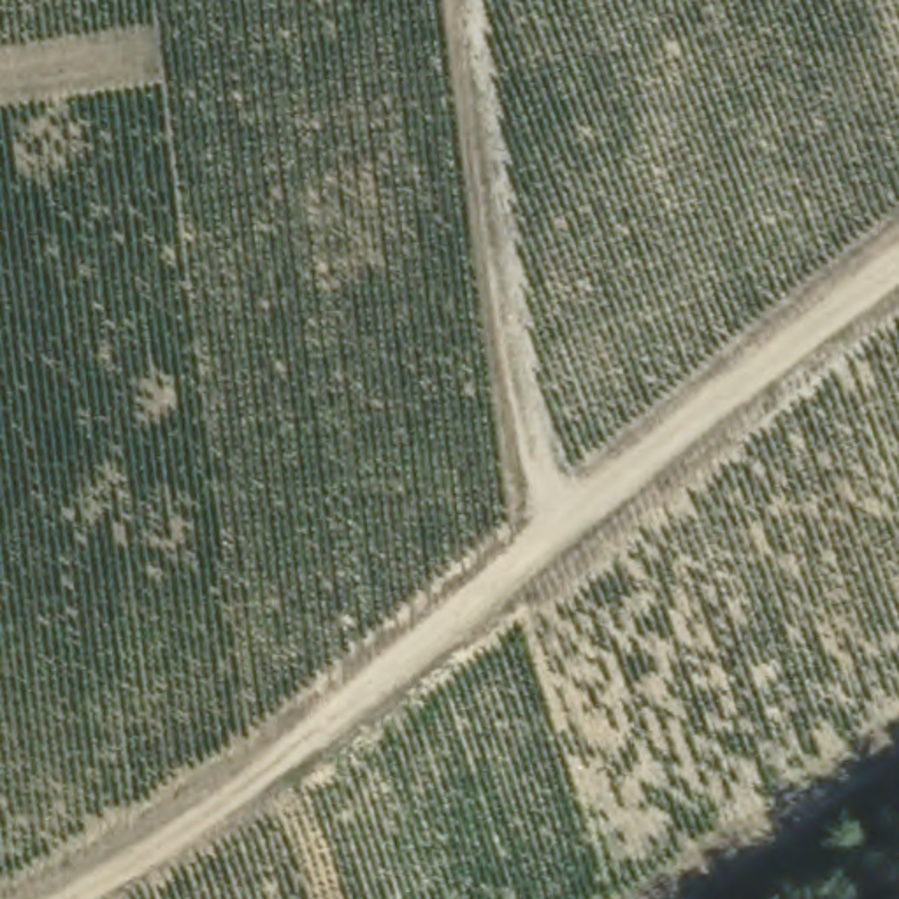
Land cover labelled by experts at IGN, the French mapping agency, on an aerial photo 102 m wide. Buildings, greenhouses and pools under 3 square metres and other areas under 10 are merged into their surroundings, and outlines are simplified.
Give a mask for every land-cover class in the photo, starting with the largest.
<instances>
[{"label":"vineyard","instance_id":"1","mask_svg":"<svg viewBox=\"0 0 899 899\"><path fill-rule=\"evenodd\" d=\"M130 25L158 28V53L144 67V88L0 109V874L28 867L63 839L81 836L91 815L144 801L179 766H197L211 752L225 748L235 734L256 727L267 713L281 706V699L306 688L316 678V671L330 667L341 653H348V643L362 639L372 625L393 615L421 586H428L435 572H442L467 548L481 544V537L492 534L499 523H506L499 425L492 407V365H499V358L495 330L492 323H485L481 277L474 267V235L442 0H0V46H28L56 35H91ZM485 39L495 67V91L502 112L499 123L509 151L513 214L520 232L516 256L527 277L537 390L555 432L551 442L555 467L562 474L586 478L604 471L608 460L622 457L643 435H650L692 393H699L730 365H737L783 323L797 320L836 281L857 274L878 249L899 242V0H485ZM899 720V284L888 295H881L871 309L843 323L836 334L818 341L804 358L787 365L759 393H752L723 418H716L702 435H695L681 453H674L615 509H608L601 520H593L572 541H565L555 555H548L516 590L485 608L478 622L460 629L411 678H404L376 706L358 713L330 744L309 752L284 776L270 780L253 801L235 808L228 822L200 836L193 846H183L176 860L147 867L116 899H674L681 892L685 871L709 867V850L737 853L741 846L766 839V832L783 815H794L808 780L829 776L843 759L878 755L881 748H888V723Z\"/></svg>","mask_w":899,"mask_h":899},{"label":"herbaceous vegetation","instance_id":"2","mask_svg":"<svg viewBox=\"0 0 899 899\"><path fill-rule=\"evenodd\" d=\"M474 235V267L481 277L485 323H492L495 330L499 358V365H492V407L499 425L506 523H499L492 534L481 537V544L467 548L442 572H435L428 586H421L393 615L372 625L362 639L348 643V653H341L330 667L316 671V678L306 688L281 699V706L267 713L256 727L235 734L225 748L211 752L197 766H179L144 801L91 815L81 836L63 839L28 867L0 874V899H74L67 885L74 878L144 843L190 808H197L207 794L235 780L253 759L277 744L320 702L341 692L383 650L414 632L425 618H432L439 604H446L471 579H478L488 569V562L509 551L530 523L523 464L534 457V450H544L551 442L555 432L537 390L527 277L516 256L520 232L513 214L509 151L499 123L502 112L495 91V67L485 39V0H442ZM158 53V28L130 25L91 35H56L28 46H0V109L144 88V67ZM899 773V720L888 723V748H881L878 755L843 759L829 776L808 780L794 815H783L766 832V839L741 846L737 853L709 850V867L685 871L681 892L674 899H787V878L780 874L783 853L811 832L822 839L836 836L843 822H853L846 801L888 783Z\"/></svg>","mask_w":899,"mask_h":899},{"label":"pervious surface","instance_id":"3","mask_svg":"<svg viewBox=\"0 0 899 899\"><path fill-rule=\"evenodd\" d=\"M899 284V242L878 249L857 274L836 281L797 320L783 323L737 365H730L699 393H692L650 435H643L622 457L608 460L604 471L586 478L562 474L555 467L551 442L544 450H534V457L523 464L530 523L509 551L488 562V569L478 579H471L446 604H439L432 618H425L414 632L383 650L341 692L320 702L277 744L253 759L235 780L207 794L197 808H190L144 843L74 878L67 885L74 899H116L147 867L176 860L183 846H193L200 836L228 822L235 808L253 801L270 780L284 776L309 752L330 744L358 713L376 706L404 678H411L460 629L478 622L485 608L516 590L548 555H555L565 541H572L593 520H601L608 509H615L674 453H681L695 435H702L716 418H723L752 393H759L787 365L804 358L818 341L836 334L843 323L871 309L881 295H888Z\"/></svg>","mask_w":899,"mask_h":899},{"label":"brushwood","instance_id":"4","mask_svg":"<svg viewBox=\"0 0 899 899\"><path fill-rule=\"evenodd\" d=\"M853 822H843L836 836L822 839L811 832L783 853L780 874L787 878V899H899V773L888 783L846 801Z\"/></svg>","mask_w":899,"mask_h":899}]
</instances>
